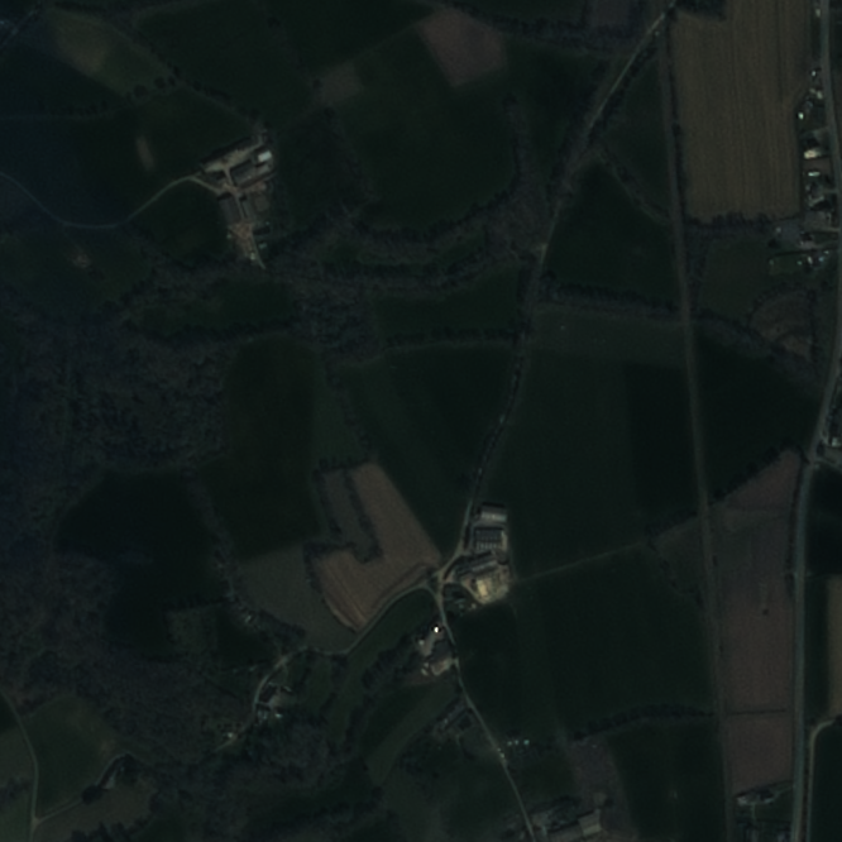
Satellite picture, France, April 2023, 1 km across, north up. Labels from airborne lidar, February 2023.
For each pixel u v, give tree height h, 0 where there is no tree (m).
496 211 15
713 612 0
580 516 0
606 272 0
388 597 0
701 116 0
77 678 6
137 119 0
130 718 29
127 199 0
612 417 0
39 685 19
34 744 0
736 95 0
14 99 0
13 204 0
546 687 0
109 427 23
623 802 0
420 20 0
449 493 0
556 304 17
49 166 0
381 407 0
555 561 0
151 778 10
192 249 0
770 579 0
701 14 16
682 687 0
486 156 0
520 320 11
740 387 0
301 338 18
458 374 0
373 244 22
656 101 0
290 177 0
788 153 0
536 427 0
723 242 17
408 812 0
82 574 7
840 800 0
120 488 0
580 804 7
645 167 0
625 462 0
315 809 0
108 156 0
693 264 12
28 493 21
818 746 0
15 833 0
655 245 0
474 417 0
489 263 16
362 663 0
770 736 0
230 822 22
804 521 0
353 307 19
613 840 0
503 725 0
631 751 0
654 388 0
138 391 15
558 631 0
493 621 0
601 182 0
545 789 0
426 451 0
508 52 0
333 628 0
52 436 20
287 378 0
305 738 31
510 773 9
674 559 0
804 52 0
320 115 0
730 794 0
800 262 0
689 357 0
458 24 0
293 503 0
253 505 0
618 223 0
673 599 0
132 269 0
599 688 0
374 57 0
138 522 0
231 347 17
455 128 0
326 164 0
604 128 11
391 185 0
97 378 21
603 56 15
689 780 0
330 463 0
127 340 21
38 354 15
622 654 0
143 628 0
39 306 0
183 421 8
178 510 0
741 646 0
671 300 0
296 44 0
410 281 16
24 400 30
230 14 0
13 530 23
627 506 0
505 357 0
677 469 0
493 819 0
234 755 0
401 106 0
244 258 0
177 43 0
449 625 10
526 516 0
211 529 17
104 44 0
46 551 19
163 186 0
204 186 0
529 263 19
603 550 0
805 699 0
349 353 20
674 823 0
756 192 0
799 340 0
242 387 0
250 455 0
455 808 0
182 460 16
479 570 0
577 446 0
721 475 0
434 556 0
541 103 0
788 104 0
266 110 0
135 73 0
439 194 0
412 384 0
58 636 24
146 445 10
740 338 24
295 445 0
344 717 0
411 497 0
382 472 0
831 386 0
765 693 0
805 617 0
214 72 0
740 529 0
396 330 0
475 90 0
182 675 18
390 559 0
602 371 0
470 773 0
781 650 0
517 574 0
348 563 0
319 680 0
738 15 0
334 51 0
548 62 0
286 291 17
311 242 17
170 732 29
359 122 0
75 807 0
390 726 0
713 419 0
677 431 0
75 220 0
